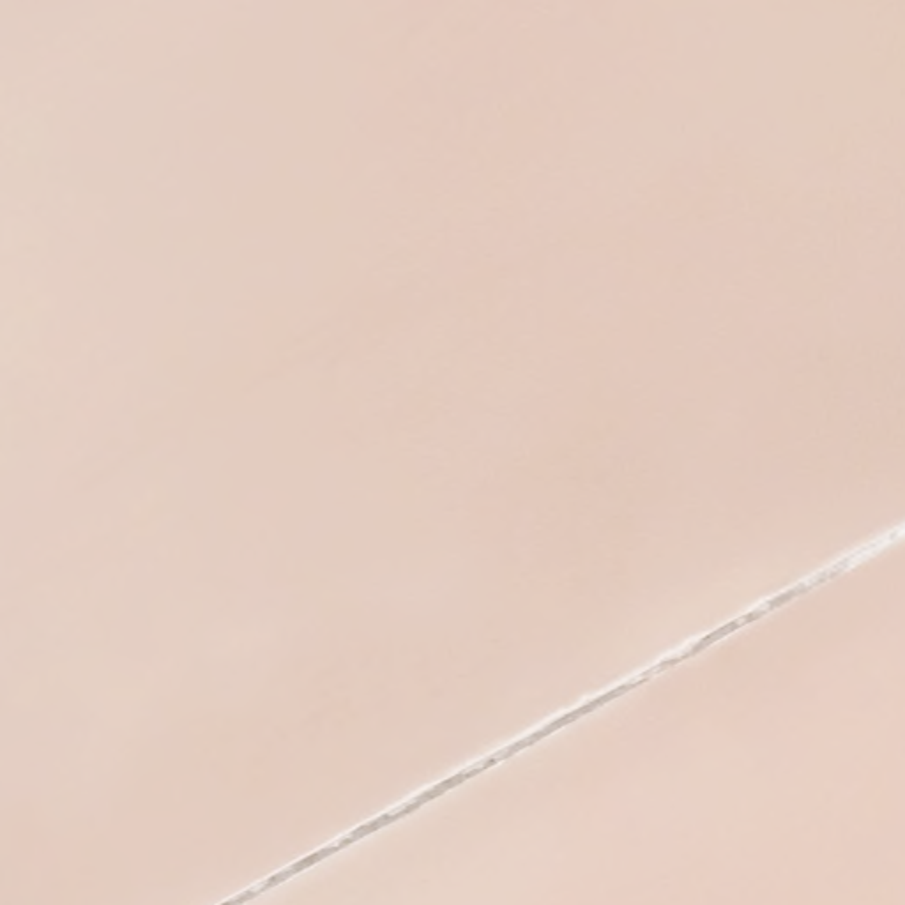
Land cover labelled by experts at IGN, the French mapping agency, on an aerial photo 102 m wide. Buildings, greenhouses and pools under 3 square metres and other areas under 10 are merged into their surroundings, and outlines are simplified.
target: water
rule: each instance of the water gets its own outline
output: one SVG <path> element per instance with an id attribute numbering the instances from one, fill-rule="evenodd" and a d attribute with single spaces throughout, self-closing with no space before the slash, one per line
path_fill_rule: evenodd
<path id="1" fill-rule="evenodd" d="M 470 757 L 498 735 L 509 735 L 537 714 L 573 700 L 576 693 L 640 665 L 654 650 L 711 622 L 714 615 L 739 608 L 742 601 L 753 601 L 774 583 L 785 583 L 806 573 L 810 566 L 905 520 L 905 0 L 0 0 L 0 905 L 198 905 L 240 880 L 251 880 L 258 870 L 279 863 L 293 848 L 311 845 L 315 838 L 343 827 L 357 813 L 389 802 L 431 771 Z"/>
<path id="2" fill-rule="evenodd" d="M 573 735 L 562 735 L 548 749 L 463 792 L 453 806 L 428 813 L 424 824 L 392 831 L 389 838 L 382 838 L 371 848 L 361 848 L 361 856 L 339 863 L 325 877 L 293 884 L 286 894 L 265 905 L 905 905 L 905 541 L 863 562 L 852 573 L 834 573 L 820 580 L 799 605 L 771 615 L 764 626 L 721 647 L 714 658 L 700 665 L 682 665 L 679 672 L 654 679 L 636 700 L 615 707 L 601 721 L 583 725 Z"/>

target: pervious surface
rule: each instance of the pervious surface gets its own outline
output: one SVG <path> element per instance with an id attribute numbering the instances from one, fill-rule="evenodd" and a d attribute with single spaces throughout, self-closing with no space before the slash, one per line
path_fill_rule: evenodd
<path id="1" fill-rule="evenodd" d="M 714 615 L 711 622 L 654 650 L 640 665 L 576 693 L 573 700 L 537 714 L 509 735 L 498 735 L 470 757 L 431 771 L 389 802 L 357 813 L 343 827 L 315 838 L 311 845 L 293 848 L 279 863 L 258 870 L 251 880 L 240 880 L 198 905 L 265 905 L 286 894 L 293 884 L 325 877 L 339 863 L 361 856 L 361 848 L 371 848 L 382 838 L 389 838 L 392 831 L 424 824 L 428 813 L 453 806 L 463 792 L 548 749 L 562 735 L 573 735 L 583 725 L 601 721 L 615 707 L 636 700 L 654 679 L 679 672 L 682 665 L 700 665 L 714 658 L 721 647 L 764 626 L 771 615 L 799 605 L 820 580 L 834 573 L 852 573 L 863 562 L 905 541 L 905 520 L 810 566 L 806 573 L 785 583 L 774 583 L 753 601 L 742 601 L 739 608 Z"/>

